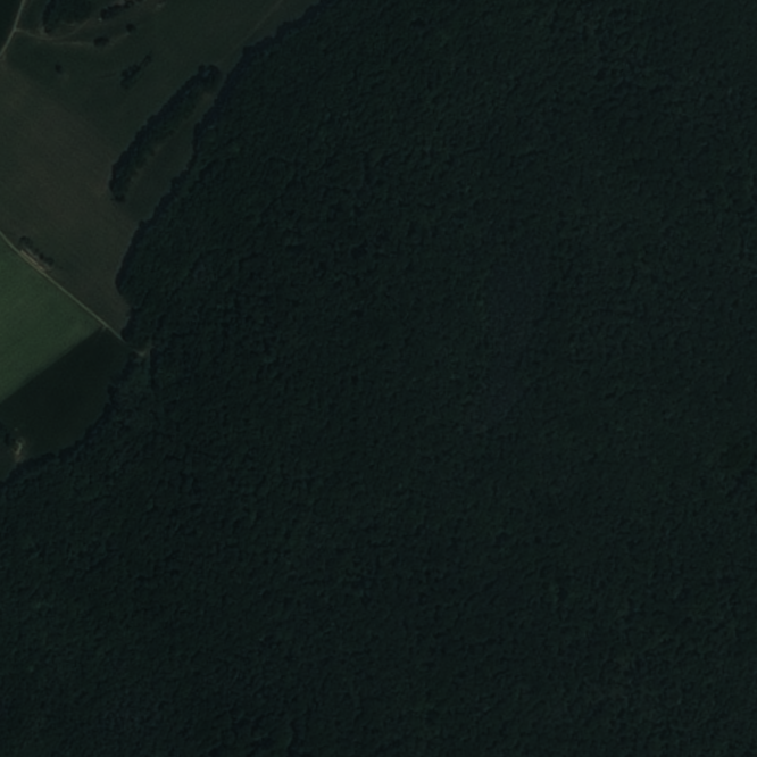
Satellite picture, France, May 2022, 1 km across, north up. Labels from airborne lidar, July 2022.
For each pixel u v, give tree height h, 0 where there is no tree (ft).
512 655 55
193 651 73
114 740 40
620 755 77
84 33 0
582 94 65
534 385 27
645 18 65
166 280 64
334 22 58
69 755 31
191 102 58
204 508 75
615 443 57
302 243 68
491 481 60
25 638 63
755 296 58
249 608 68
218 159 44
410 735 60
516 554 74
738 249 59
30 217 0
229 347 77
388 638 63
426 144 57
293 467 59
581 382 60
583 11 77
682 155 77
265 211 73
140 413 95
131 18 0
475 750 68
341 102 68
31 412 0
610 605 51
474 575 49
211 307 57
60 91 0
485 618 61
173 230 61
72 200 0
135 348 52
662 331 60
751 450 20
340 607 65
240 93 74
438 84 57
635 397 60
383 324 66
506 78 43
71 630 68
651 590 68
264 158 64
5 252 0
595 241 47
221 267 65
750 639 81
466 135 56
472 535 64
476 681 73
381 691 64
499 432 51
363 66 82
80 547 63
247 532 69
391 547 64
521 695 60
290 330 64
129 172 58
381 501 68
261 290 82
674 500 63
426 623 73
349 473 62
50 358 0
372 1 62
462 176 60
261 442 55
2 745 37
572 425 79
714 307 69
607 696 57
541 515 60
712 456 72
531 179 65
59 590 72
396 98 57
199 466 73
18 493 70
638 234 66
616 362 57
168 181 0
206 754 61
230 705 65
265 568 66
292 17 0
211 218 61
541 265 37
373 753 49
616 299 47
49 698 48
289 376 51
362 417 49
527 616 60
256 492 80
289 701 68
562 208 55
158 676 64
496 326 25
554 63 64
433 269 60
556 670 59
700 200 76
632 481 53
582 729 70
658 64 81
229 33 0
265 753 71
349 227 71
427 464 68
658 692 55
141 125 0
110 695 49
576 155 56
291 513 77
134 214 0
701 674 56
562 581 93
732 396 63
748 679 67
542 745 79
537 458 59
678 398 58
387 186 63
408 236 70
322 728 53
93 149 0
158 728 53
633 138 79
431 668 76
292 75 61
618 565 66
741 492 50
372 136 55
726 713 57
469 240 59
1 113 0
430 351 59
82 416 0
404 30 74
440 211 52
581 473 64
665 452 71
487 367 26
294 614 65
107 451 60
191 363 62
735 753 49
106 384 0
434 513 71
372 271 73
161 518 78
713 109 66
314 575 66
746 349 73
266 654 58
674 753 61
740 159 72
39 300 0
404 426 51
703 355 64
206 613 69
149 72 0
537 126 58
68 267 0
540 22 61
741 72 75
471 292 49
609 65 77
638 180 74
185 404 71
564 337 58
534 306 39
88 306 0
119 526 82
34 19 0
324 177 74
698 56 70
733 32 66
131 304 49
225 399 71
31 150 0
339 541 67
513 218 52
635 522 55
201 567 72
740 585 67
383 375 52
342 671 54
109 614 70
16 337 0
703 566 69
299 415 55
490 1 54
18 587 65
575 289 66
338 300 64
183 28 0
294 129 74
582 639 60
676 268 60
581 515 65
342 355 65
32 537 84
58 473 76
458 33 51
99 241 0
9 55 0
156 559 73
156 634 69
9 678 62
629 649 55
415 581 75
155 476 77
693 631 80
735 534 62
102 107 0
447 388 50
